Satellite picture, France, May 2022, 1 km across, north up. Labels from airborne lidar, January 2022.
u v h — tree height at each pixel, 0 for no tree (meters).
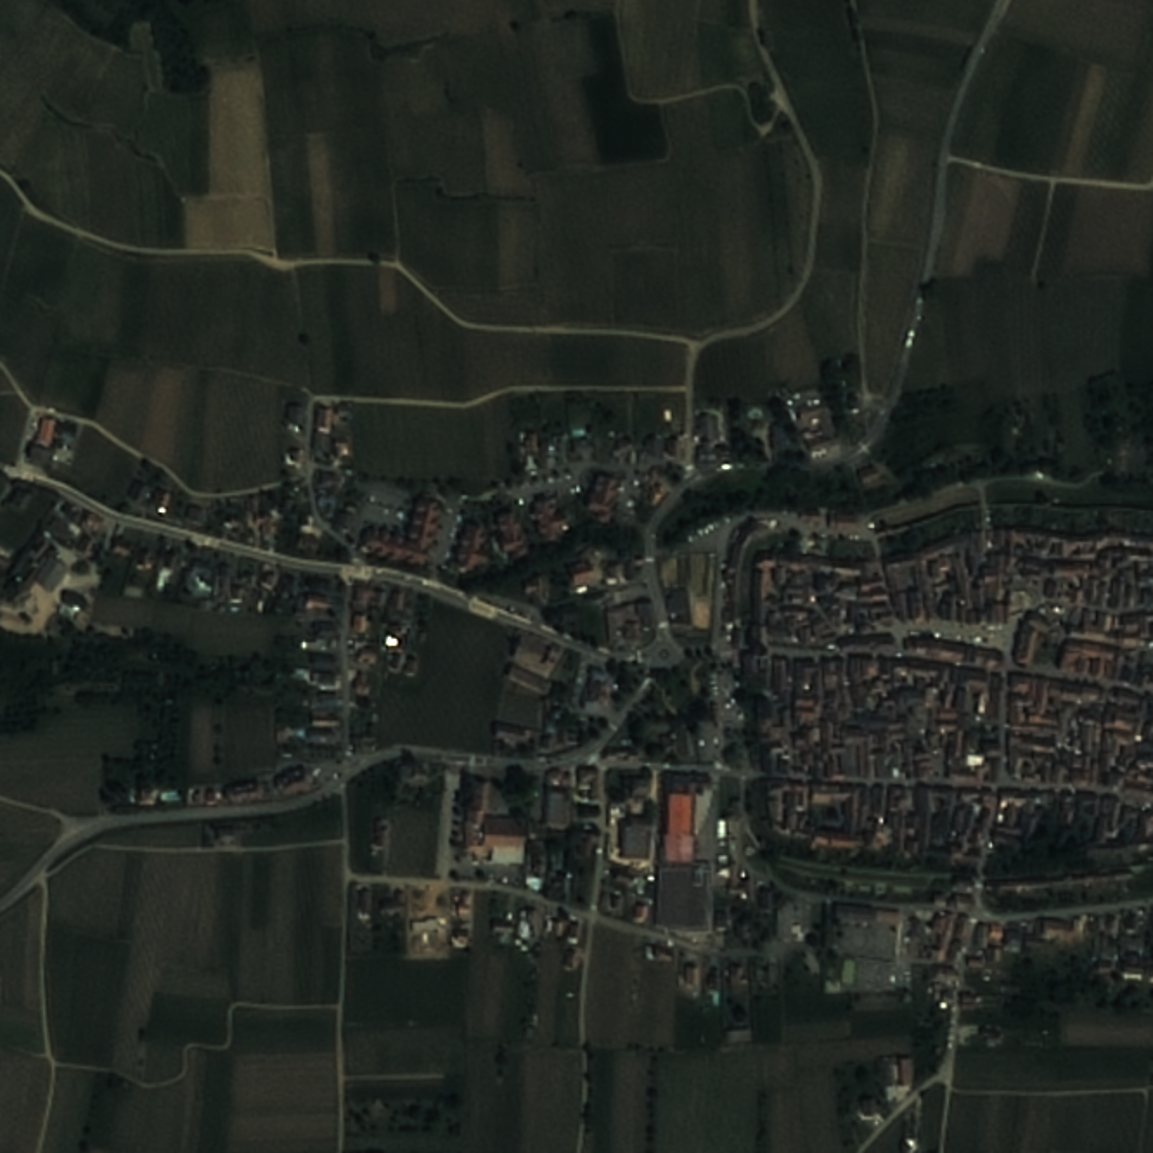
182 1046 0
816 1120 0
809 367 0
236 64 0
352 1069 0
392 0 0
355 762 0
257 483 0
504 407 0
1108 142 0
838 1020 0
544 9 0
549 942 0
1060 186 0
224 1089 0
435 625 0
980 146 0
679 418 0
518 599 0
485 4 0
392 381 0
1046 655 0
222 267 0
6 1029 0
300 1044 0
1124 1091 0
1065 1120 0
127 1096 0
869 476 0
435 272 0
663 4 0
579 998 0
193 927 0
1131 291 0
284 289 0
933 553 0
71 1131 0
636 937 0
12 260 0
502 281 0
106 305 0
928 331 0
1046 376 0
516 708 0
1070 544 0
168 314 0
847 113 0
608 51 0
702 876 0
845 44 0
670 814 0
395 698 0
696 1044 0
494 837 0
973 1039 0
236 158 0
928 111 0
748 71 0
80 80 0
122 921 0
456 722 0
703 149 0
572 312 0
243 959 0
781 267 0
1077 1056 0
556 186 0
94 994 0
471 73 0
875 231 0
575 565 0
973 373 0
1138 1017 0
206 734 0
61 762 0
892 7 0
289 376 0
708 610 0
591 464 0
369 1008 0
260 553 0
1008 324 0
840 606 0
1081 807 12
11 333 0
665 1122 0
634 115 0
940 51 0
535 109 0
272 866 0
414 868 0
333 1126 0
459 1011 0
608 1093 0
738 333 0
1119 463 0
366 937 0
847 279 0
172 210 0
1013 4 0
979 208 0
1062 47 0
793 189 0
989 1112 0
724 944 0
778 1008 0
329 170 0
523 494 0
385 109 0
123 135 0
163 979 0
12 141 0
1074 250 0
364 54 0
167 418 0
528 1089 0
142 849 0
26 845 0
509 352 0
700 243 0
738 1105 0
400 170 0
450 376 0
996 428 0
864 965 0
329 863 0
